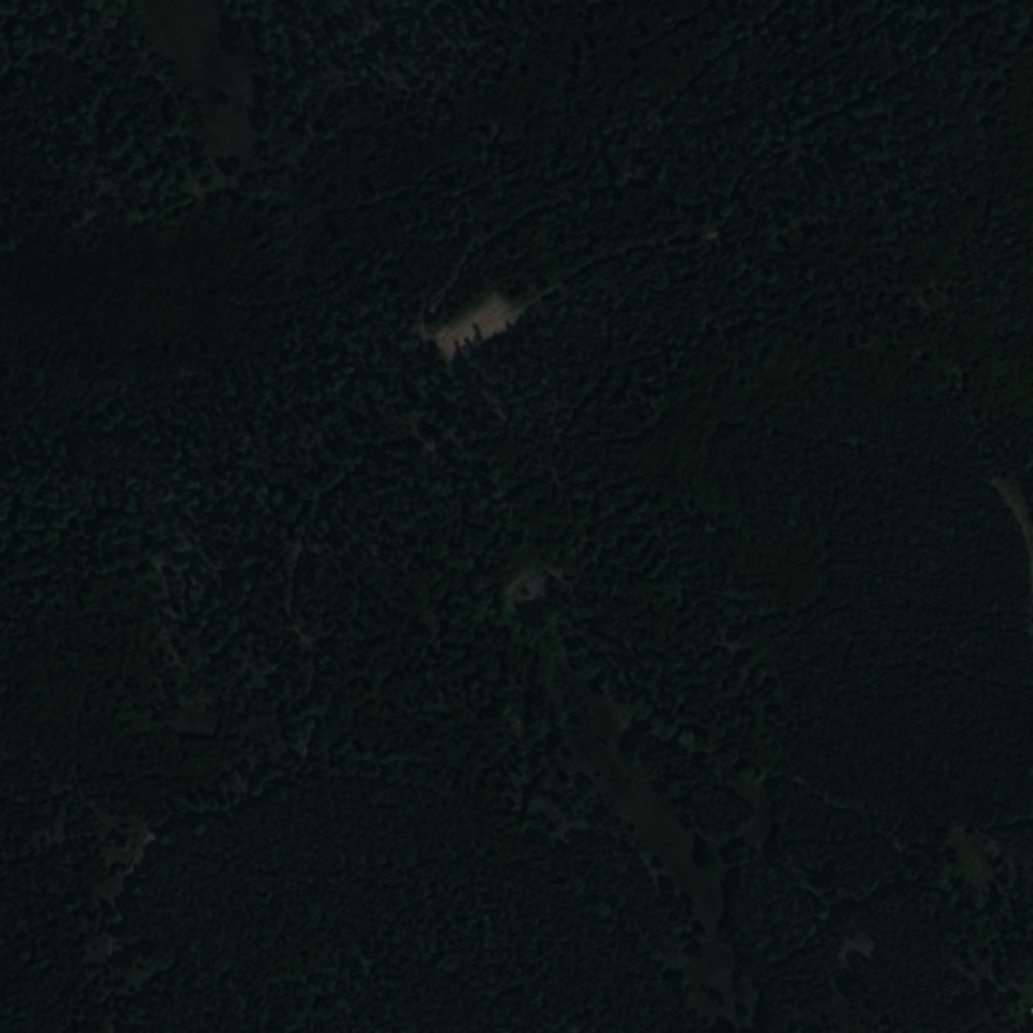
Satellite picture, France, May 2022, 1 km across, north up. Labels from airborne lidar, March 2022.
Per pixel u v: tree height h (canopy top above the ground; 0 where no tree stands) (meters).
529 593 9
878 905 20
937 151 25
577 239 14
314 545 26
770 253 16
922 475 18
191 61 0
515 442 9
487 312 0
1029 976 20
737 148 13
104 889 0
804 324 12
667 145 7
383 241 8
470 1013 31
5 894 7
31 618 11
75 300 15
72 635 8
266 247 21
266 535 21
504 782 12
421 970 28
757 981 25
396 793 21
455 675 19
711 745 16
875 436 15
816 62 12
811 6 12
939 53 20
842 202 36
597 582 12
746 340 19
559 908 20
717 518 8
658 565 14
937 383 14
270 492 33
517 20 10
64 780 11
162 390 11
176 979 19
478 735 14
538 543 11
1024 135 17
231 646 15
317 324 12
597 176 12
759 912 20
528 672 9
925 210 21
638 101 9
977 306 12
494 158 9
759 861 20
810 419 14
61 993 13
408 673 37
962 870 20
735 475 19
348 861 24
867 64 14
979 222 10
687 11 11
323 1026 23
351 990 24
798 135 14
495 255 12
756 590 19
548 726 15
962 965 16
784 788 17
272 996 30
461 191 7
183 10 0
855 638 19
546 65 11
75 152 35
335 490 14
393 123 12
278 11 32
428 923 24
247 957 23
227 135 0
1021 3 21
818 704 13
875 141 17
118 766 12
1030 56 16
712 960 0
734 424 14
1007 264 13
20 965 12
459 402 18
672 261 10
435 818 19
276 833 17
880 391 13
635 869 27
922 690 19
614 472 13
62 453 15
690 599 14
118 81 12
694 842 0
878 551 18
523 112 11
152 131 17
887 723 16
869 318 24
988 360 16
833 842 26
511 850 18
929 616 22
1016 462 13
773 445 22
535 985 23
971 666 12
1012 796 16
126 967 18
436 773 20
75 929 11
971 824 12
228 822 21
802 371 15
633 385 32
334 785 21
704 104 10
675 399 13
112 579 10
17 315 13
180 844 21
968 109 21
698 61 9
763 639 18
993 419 10
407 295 9
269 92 26
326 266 13
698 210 9
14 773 10
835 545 21
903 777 17
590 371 8
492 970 22
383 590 13
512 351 14
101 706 13
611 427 12
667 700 14
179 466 22
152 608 8
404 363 38
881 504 18
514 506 14
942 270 13
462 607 17
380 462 31
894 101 18
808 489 21
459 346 0
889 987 26
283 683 19
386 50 36
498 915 23
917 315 16
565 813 16
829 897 25
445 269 11
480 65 9
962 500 18
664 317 11
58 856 13
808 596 14
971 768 16
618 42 14
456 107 10
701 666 15
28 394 13
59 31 38
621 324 10
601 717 0
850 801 12
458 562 17
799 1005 25
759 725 14
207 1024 27
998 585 17
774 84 10
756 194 8
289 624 10
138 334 9
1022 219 15
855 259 9
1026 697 17
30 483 38
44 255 17
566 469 12
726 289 10
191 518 25
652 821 0
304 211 20
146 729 8
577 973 24
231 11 24
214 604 22
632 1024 21
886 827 19
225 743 11
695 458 15
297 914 25
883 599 22
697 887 0
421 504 32
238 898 23
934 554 21
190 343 14
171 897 28
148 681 8
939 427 14
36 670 8
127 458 36
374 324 8
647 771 12
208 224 13
